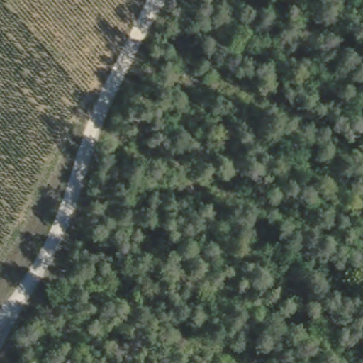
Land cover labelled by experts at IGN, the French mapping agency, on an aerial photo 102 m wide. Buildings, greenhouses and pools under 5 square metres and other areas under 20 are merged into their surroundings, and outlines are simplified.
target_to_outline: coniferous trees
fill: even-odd
[[[357,227],[357,221],[363,218],[363,119],[350,128],[347,119],[340,113],[339,106],[335,104],[336,88],[329,88],[328,82],[319,86],[319,96],[311,95],[306,98],[308,91],[303,89],[303,82],[296,84],[296,77],[285,81],[284,86],[277,85],[275,64],[272,61],[258,69],[259,77],[252,77],[254,61],[245,57],[242,52],[233,54],[231,43],[235,37],[245,34],[248,27],[257,37],[277,37],[282,34],[289,43],[298,37],[298,48],[295,52],[289,52],[288,58],[302,61],[308,58],[316,67],[325,64],[330,72],[329,79],[345,78],[347,72],[352,71],[356,81],[363,82],[363,30],[354,35],[352,31],[347,30],[352,18],[337,16],[343,9],[343,4],[346,6],[353,0],[164,0],[163,7],[153,18],[146,37],[140,40],[135,60],[130,64],[118,91],[109,102],[104,122],[98,128],[98,139],[94,142],[94,150],[89,157],[89,163],[85,166],[85,176],[82,179],[84,186],[79,191],[78,200],[72,204],[74,213],[69,217],[68,227],[62,231],[62,235],[58,235],[61,238],[61,248],[52,255],[52,265],[34,286],[33,292],[27,296],[13,328],[6,333],[7,339],[0,347],[0,363],[363,363],[363,250],[353,244],[350,235]],[[275,172],[279,156],[295,155],[299,150],[311,152],[311,166],[305,170],[289,169],[279,176]],[[302,258],[292,262],[284,277],[274,279],[268,269],[264,268],[264,264],[272,261],[275,265],[282,265],[289,252],[289,245],[294,250],[301,251]],[[159,285],[159,292],[143,303],[138,303],[136,298],[128,303],[115,294],[119,285],[118,275],[125,274],[123,267],[128,257],[133,258],[135,265],[139,265],[139,272],[145,272]]]

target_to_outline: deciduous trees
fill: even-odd
[[[296,84],[303,82],[303,89],[308,91],[306,98],[311,95],[319,96],[319,86],[328,82],[329,88],[336,88],[335,104],[339,106],[340,113],[347,119],[350,128],[363,119],[363,82],[356,81],[352,71],[347,72],[345,78],[329,79],[330,72],[325,64],[316,67],[308,58],[302,61],[288,58],[289,52],[295,52],[298,48],[298,37],[289,43],[282,34],[277,37],[257,37],[248,27],[245,34],[235,37],[231,43],[233,54],[242,52],[245,57],[254,61],[252,77],[259,77],[258,69],[272,61],[275,64],[277,85],[284,86],[285,81],[296,77]]]
[[[363,250],[363,218],[357,221],[357,227],[350,235],[353,244]]]
[[[268,269],[274,279],[284,277],[292,262],[302,258],[301,251],[294,250],[289,245],[289,252],[282,265],[275,265],[272,261],[264,264],[264,268]]]
[[[289,169],[305,170],[311,166],[311,152],[299,150],[295,155],[279,156],[275,172],[279,176]]]
[[[337,16],[352,18],[347,30],[352,31],[354,35],[363,30],[363,0],[353,0],[346,6],[343,4],[343,9]]]
[[[118,275],[119,285],[115,294],[128,303],[136,298],[138,303],[143,303],[159,292],[159,285],[145,272],[139,272],[139,265],[135,265],[133,258],[128,257],[123,267],[125,274]]]

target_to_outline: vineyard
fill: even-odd
[[[45,241],[51,234],[55,216],[64,201],[79,145],[85,138],[86,122],[92,121],[89,112],[94,111],[99,99],[96,88],[99,82],[104,85],[111,75],[113,64],[118,61],[122,48],[130,40],[129,34],[133,23],[145,9],[146,0],[0,0],[0,309],[1,306],[10,305],[10,296],[13,295],[14,289],[23,282],[30,268],[34,267],[35,259],[40,257]]]

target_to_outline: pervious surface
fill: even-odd
[[[27,296],[33,292],[34,286],[52,265],[52,255],[61,248],[61,238],[58,235],[62,235],[62,231],[68,227],[69,217],[74,213],[72,204],[78,200],[79,191],[84,186],[82,179],[85,176],[85,166],[89,163],[89,157],[94,150],[94,142],[98,139],[98,128],[104,122],[109,102],[118,91],[130,64],[135,60],[140,40],[146,37],[153,18],[163,7],[164,0],[146,0],[145,9],[133,23],[129,34],[130,40],[122,48],[118,61],[113,64],[111,75],[104,85],[99,82],[96,88],[99,99],[94,111],[89,112],[92,121],[86,122],[85,138],[79,145],[64,201],[55,216],[51,234],[45,241],[40,257],[35,259],[34,267],[30,268],[23,282],[14,289],[13,295],[10,296],[10,305],[1,306],[0,309],[0,347],[7,339],[6,333],[13,328]]]

